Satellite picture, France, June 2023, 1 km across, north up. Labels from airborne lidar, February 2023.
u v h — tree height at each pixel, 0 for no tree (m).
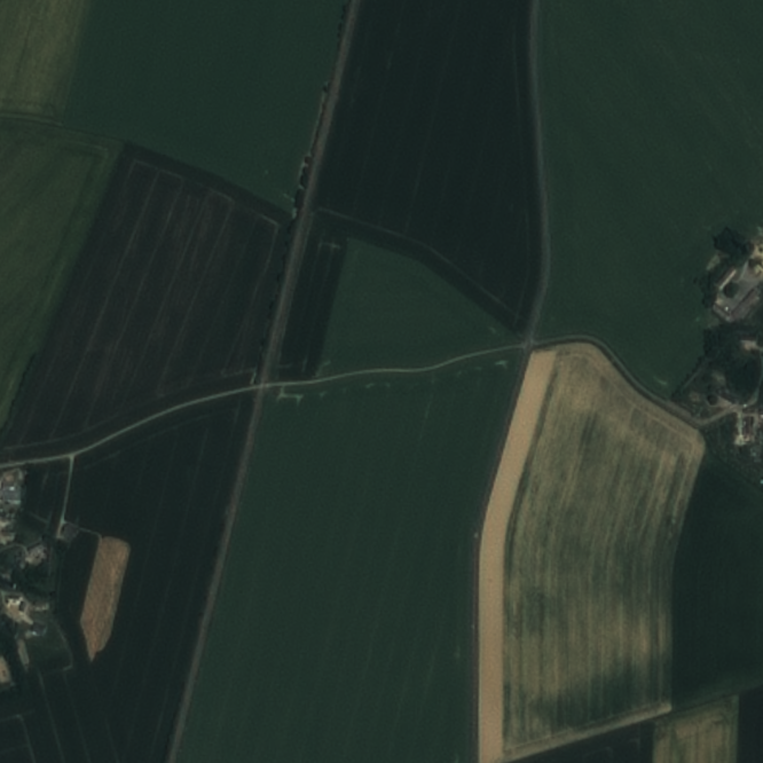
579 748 0
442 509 0
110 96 0
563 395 0
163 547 0
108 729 0
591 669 0
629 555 0
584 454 0
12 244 0
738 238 9
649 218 0
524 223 0
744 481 0
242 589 0
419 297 0
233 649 0
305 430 0
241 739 0
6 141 0
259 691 0
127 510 0
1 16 0
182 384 0
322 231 0
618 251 0
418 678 0
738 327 8
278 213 0
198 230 0
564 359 0
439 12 0
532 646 0
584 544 0
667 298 0
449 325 0
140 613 0
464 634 0
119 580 0
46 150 0
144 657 0
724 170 0
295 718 0
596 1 0
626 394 0
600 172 0
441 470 0
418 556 0
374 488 0
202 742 0
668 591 0
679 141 0
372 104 0
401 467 0
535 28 0
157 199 0
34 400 0
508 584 0
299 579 0
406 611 0
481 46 0
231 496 0
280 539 0
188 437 0
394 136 0
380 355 0
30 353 0
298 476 0
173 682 0
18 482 0
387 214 0
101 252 0
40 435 0
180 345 0
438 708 0
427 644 0
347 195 0
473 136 0
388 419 0
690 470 0
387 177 0
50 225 0
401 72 0
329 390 0
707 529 0
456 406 0
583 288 0
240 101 0
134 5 0
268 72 0
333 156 0
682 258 0
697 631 0
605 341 0
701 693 0
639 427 0
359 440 0
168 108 0
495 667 0
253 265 0
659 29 0
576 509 0
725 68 0
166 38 0
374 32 0
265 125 0
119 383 0
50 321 0
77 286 0
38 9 0
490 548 0
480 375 0
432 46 0
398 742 0
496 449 0
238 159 0
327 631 0
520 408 0
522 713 0
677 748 0
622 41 0
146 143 0
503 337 0
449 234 0
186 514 0
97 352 0
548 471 0
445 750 0
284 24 0
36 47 0
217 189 0
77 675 0
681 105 0
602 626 0
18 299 0
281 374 0
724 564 0
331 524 0
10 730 0
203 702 0
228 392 0
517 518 0
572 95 0
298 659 0
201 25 0
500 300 0
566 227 0
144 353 0
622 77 0
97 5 0
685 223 0
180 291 0
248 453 0
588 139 0
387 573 0
